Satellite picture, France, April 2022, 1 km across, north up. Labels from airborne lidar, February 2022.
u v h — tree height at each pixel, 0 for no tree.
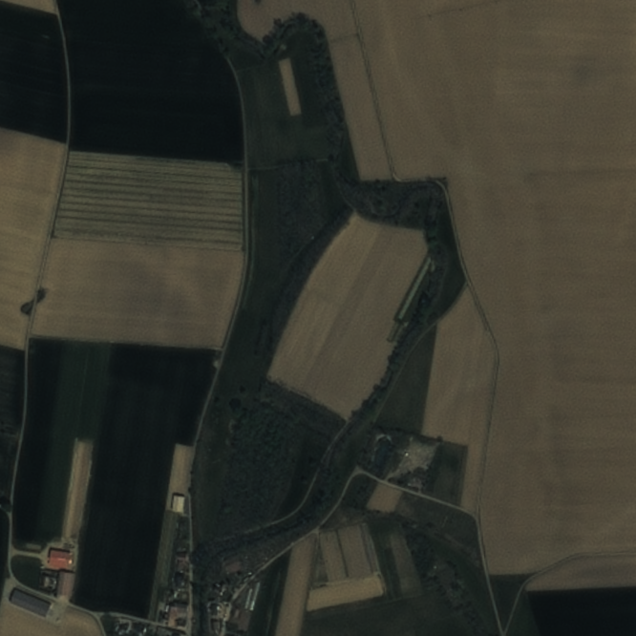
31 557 0
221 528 16
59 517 0
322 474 15
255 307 0
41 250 0
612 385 0
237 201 0
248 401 0
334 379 0
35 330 0
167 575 0
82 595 0
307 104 0
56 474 0
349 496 0
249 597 0
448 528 0
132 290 0
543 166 0
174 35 0
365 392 0
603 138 0
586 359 0
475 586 0
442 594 5
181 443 0
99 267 0
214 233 0
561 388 0
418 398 0
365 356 0
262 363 0
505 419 0
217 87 0
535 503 0
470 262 0
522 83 0
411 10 0
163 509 0
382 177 0
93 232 0
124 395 0
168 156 0
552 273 0
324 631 0
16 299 0
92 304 0
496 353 0
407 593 0
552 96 0
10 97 0
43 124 0
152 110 0
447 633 0
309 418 17
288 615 0
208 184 0
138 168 0
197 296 0
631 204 0
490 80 0
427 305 16
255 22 0
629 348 0
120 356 0
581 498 0
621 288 0
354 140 0
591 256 0
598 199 0
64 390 0
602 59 0
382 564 0
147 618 0
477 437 0
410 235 0
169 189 0
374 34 0
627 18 0
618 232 0
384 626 0
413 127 0
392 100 0
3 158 0
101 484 0
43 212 0
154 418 0
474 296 0
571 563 0
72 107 0
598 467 0
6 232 0
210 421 0
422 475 0
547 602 0
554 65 0
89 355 0
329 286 0
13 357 0
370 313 0
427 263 0
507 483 0
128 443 0
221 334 0
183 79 0
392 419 0
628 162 0
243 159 0
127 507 0
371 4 0
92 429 0
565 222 0
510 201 0
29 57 0
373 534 0
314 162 12
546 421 0
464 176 0
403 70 0
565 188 0
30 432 0
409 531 10
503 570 0
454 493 0
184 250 0
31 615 0
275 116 0
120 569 0
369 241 0
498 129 0
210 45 0
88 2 0
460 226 0
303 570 0
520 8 0
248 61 0
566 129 0
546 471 0
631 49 0
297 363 0
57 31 0
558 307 0
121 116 0
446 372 0
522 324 0
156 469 0
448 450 0
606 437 0
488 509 0
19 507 0
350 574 0
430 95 0
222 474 0
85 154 0
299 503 0
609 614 0
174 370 0
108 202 0
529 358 0
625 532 0
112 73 0
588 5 0
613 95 0
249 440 14
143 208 0
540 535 0
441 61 0
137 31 0
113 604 0
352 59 0
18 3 0
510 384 0
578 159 0
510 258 0
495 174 0
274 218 0
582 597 0
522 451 0
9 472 0
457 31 0
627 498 0
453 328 0
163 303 0
